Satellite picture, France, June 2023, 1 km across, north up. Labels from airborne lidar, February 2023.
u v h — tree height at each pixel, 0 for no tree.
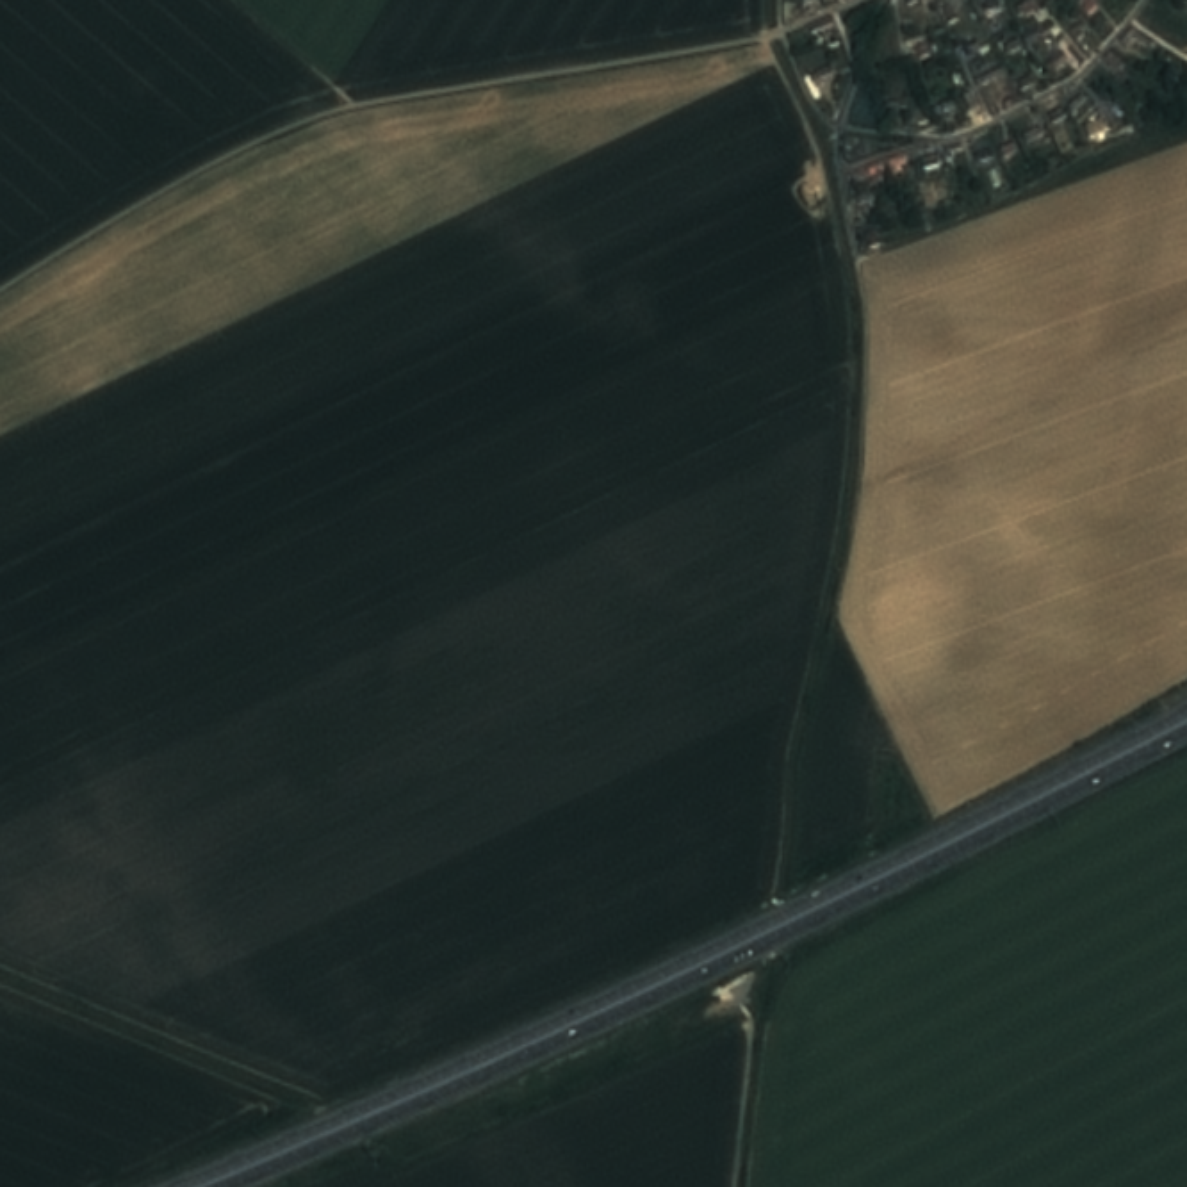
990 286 0
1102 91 11
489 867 0
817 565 0
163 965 0
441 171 0
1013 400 0
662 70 0
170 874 0
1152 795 0
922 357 0
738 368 0
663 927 0
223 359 0
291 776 0
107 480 0
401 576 0
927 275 0
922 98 8
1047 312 0
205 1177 0
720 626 0
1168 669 0
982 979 0
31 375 0
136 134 0
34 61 0
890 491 0
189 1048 0
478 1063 0
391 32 0
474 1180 0
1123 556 0
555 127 0
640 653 0
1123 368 0
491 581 0
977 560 0
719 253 0
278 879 0
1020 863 0
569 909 0
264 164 0
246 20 0
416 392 0
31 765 0
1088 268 0
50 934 0
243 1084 0
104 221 0
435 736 0
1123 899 0
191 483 0
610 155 0
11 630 0
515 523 0
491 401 0
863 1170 0
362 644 0
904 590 0
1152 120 10
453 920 0
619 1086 0
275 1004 0
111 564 0
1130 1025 0
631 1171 0
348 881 0
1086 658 0
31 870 0
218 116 0
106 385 0
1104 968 0
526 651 0
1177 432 0
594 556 0
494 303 0
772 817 0
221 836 0
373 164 0
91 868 0
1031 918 0
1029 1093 0
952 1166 0
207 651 0
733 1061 0
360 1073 0
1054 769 0
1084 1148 0
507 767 0
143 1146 0
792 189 0
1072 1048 0
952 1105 0
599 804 0
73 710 0
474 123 0
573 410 0
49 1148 0
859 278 0
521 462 0
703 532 0
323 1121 0
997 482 0
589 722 0
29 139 0
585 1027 0
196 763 0
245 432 0
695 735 0
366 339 0
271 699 0
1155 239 0
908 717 0
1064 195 0
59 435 0
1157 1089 0
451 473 0
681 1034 0
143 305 0
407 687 0
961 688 0
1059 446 0
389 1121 0
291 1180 0
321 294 0
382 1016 0
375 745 0
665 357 0
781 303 0
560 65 0
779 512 0
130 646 0
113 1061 0
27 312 0
